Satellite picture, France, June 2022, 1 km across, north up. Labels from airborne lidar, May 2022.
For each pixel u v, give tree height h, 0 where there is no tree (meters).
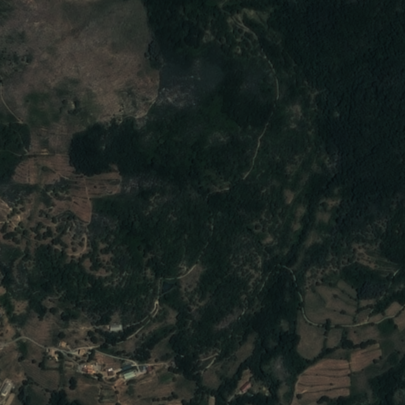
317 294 0
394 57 15
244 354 0
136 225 17
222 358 8
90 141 10
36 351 0
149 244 13
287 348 5
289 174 11
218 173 7
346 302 0
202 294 8
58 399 12
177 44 10
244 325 15
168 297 16
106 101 0
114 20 0
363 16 17
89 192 0
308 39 11
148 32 0
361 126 16
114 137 13
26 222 0
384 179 14
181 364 15
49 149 0
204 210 12
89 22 0
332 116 7
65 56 0
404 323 0
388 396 15
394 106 14
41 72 0
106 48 0
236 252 11
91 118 0
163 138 11
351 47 15
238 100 12
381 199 8
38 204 0
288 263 14
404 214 16
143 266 8
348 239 7
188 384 0
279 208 9
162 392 0
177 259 6
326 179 19
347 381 0
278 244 8
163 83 0
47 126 0
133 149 8
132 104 0
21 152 0
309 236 16
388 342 0
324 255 7
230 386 12
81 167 14
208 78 0
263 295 7
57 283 9
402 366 13
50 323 0
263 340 15
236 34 11
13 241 10
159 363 0
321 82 12
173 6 17
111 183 0
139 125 0
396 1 11
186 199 9
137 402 0
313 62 18
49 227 8
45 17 0
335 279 0
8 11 0
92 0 0
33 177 0
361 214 11
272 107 12
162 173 16
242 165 6
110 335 18
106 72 0
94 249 10
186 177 15
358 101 14
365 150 11
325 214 0
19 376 0
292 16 21
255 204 15
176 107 0
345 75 14
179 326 10
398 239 9
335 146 9
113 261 7
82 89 0
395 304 0
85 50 0
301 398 10
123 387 0
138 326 7
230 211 21
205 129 0
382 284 8
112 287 8
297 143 8
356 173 19
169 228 10
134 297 11
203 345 9
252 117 17
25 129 0
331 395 0
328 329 11
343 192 6
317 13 13
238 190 17
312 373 0
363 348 14
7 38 0
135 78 0
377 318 0
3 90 0
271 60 9
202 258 9
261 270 7
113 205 10
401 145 7
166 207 8
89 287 8
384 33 14
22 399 16
